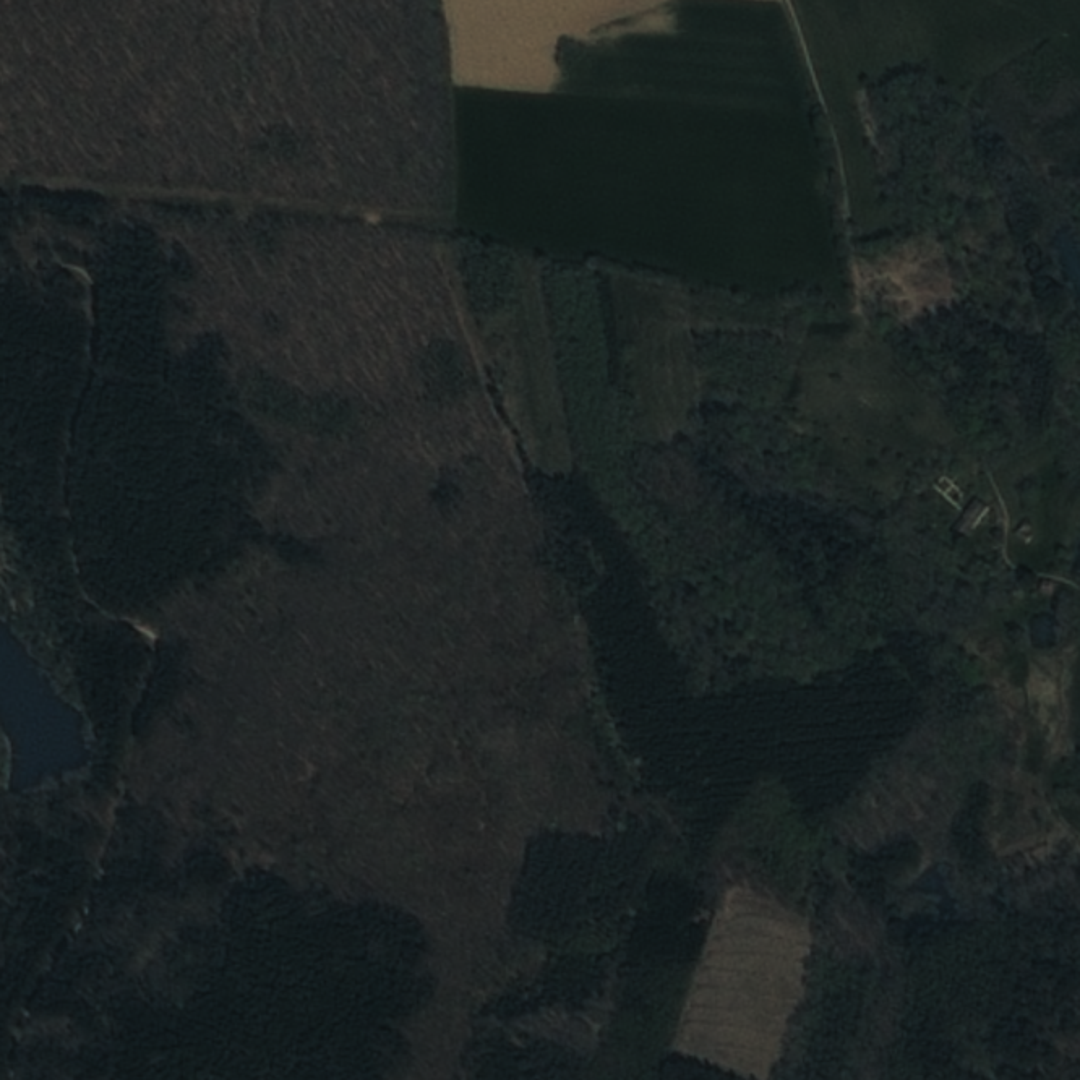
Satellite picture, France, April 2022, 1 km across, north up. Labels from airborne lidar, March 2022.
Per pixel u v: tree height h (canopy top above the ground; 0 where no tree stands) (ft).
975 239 87
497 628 43
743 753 47
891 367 0
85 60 71
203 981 58
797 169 0
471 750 26
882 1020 91
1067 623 80
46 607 62
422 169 81
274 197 59
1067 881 74
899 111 85
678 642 60
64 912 68
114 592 58
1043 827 73
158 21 63
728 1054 0
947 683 75
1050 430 60
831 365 0
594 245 0
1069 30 0
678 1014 46
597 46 0
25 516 75
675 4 0
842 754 59
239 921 73
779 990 0
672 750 49
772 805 52
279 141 69
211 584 47
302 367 64
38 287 64
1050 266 96
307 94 69
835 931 105
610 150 0
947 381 60
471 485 64
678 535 73
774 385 78
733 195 0
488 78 0
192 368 69
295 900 70
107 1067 72
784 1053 0
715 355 76
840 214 63
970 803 84
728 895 87
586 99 0
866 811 87
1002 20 0
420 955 74
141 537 60
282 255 71
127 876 73
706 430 92
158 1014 59
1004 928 69
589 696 52
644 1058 46
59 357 64
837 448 0
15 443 75
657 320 0
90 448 59
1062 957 69
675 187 0
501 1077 40
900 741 60
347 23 74
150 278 95
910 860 88
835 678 58
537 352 0
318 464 45
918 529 58
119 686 88
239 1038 66
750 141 0
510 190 0
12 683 0
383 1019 73
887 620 68
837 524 75
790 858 37
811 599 73
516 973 41
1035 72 21
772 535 81
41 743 0
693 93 0
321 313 73
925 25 0
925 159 90
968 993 83
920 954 88
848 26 0
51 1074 55
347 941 75
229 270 65
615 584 50
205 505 73
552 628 50
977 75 0
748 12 0
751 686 59
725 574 35
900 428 0
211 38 69
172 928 61
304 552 60
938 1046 103
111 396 79
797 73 0
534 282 0
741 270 0
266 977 58
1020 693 0
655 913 39
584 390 44
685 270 0
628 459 36
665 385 0
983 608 74
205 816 37
